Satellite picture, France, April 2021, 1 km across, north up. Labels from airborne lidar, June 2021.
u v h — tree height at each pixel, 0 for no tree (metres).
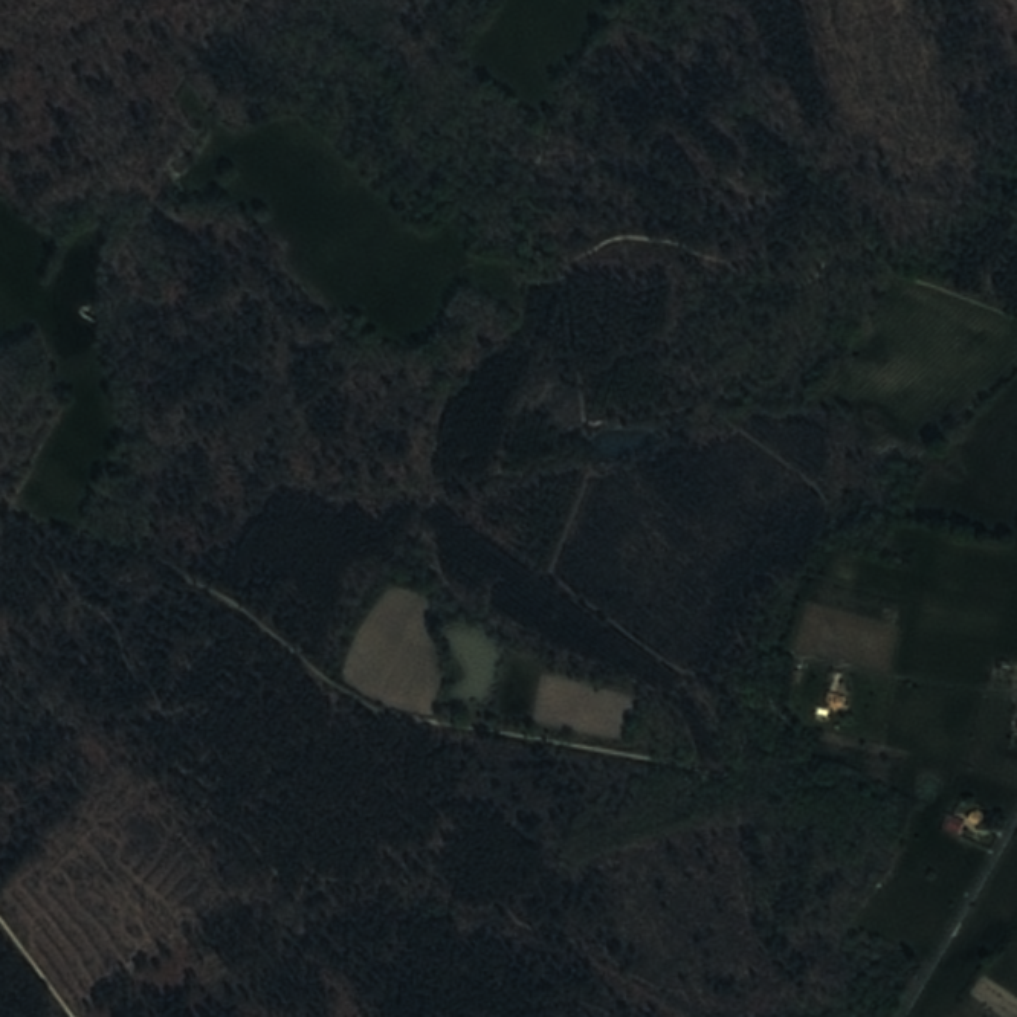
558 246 14
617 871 9
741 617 15
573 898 16
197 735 12
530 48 0
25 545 18
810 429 10
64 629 10
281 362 10
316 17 15
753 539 8
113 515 15
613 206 9
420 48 8
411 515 12
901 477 14
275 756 15
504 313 14
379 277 0
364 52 21
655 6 18
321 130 14
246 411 15
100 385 0
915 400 0
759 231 17
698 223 14
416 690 0
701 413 17
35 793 16
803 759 10
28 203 12
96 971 0
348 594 7
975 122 19
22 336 7
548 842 11
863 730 0
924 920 0
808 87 15
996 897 0
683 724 13
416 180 25
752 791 18
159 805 10
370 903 6
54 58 15
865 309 12
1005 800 0
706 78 18
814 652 0
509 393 10
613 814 11
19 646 14
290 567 12
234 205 15
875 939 11
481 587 8
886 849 15
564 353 15
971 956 0
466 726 15
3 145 13
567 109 14
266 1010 8
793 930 12
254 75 19
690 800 12
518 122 13
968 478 0
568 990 11
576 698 0
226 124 10
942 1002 0
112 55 12
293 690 16
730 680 18
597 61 13
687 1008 9
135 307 12
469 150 13
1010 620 0
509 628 12
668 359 14
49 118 13
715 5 10
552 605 6
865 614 0
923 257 14
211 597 11
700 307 10
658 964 0
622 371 10
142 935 12
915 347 0
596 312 20
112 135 14
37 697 11
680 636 7
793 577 13
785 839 11
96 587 13
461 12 15
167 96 7
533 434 11
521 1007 13
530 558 8
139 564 12
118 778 17
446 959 15
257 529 12
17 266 0
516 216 14
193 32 13
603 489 7
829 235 12
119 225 18
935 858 0
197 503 22
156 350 18
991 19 10
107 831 7
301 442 7
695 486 10
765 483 7
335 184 0
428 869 13
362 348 13
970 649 0
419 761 15
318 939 12
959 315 0
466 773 12
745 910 8
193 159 14
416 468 16
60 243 20
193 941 11
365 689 0
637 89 6
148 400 17
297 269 0
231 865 13
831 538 14
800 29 17
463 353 14
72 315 0
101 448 0
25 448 13
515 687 0
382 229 0
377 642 0
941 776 0
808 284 8
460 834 14
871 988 13
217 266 19
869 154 6
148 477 8
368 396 9
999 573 0
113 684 12
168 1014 17
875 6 0
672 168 21
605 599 9
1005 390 10
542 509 9
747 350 16
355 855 14
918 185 7
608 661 8
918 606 0
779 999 7
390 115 21
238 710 14
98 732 9
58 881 8
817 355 9
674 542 7
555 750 8
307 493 8
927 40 9
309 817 16
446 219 15
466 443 11
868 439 5
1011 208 11
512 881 13
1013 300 15
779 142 11
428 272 0
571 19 0
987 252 13
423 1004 12
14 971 15
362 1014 14
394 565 16
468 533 11
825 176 11
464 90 14
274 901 6
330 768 15
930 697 0
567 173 11
